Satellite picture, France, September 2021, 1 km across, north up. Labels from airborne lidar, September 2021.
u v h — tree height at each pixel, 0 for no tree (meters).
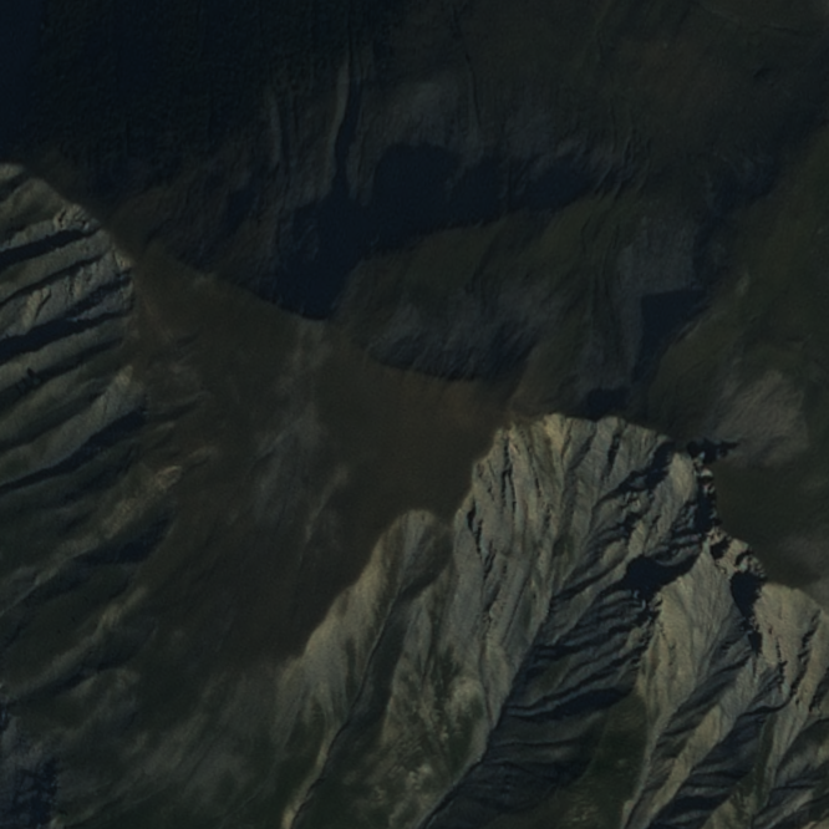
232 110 6
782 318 0
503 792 0
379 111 0
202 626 0
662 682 0
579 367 0
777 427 0
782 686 0
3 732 0
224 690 0
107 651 0
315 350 0
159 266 0
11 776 0
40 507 0
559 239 0
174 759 0
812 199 0
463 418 0
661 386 0
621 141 0
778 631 0
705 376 0
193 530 0
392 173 0
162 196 0
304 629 0
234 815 0
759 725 0
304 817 0
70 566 0
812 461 0
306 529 0
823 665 0
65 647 0
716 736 0
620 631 0
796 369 0
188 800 0
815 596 0
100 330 0
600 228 0
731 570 0
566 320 0
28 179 0
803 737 0
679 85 0
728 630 0
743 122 0
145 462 0
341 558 0
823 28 0
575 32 0
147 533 0
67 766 0
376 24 5
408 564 0
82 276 0
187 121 6
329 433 0
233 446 0
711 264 0
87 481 0
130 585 0
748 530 0
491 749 0
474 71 0
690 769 0
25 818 0
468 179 0
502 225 0
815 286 0
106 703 0
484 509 0
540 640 0
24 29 0
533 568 0
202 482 0
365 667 0
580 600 0
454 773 0
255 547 0
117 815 0
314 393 0
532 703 0
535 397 0
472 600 0
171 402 0
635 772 0
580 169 0
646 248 0
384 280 0
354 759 0
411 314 0
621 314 0
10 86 0
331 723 0
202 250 0
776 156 0
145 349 0
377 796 0
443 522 0
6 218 0
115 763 0
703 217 0
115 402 0
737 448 0
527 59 0
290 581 0
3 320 0
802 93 0
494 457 0
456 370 0
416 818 0
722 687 0
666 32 0
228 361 0
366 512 0
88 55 6
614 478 0
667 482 0
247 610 0
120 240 0
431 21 0
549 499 0
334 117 0
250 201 0
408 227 0
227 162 0
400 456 0
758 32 0
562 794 0
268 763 0
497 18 0
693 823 0
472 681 0
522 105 0
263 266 0
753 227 0
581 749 0
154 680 0
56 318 0
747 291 0
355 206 0
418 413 0
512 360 0
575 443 0
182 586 0
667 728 0
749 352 0
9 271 0
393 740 0
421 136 0
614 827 0
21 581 0
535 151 0
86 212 0
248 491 0
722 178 0
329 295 0
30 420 0
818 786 0
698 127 0
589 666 0
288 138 0
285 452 0
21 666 0
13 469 0
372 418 0
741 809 0
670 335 0
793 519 0
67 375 0
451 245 0
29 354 0
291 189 0
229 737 0
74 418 0
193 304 0
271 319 0
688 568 0
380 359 0
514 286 0
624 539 0
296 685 0
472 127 0
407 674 0
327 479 0
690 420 0
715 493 0
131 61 5
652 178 0
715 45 0
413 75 0
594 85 0
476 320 0
